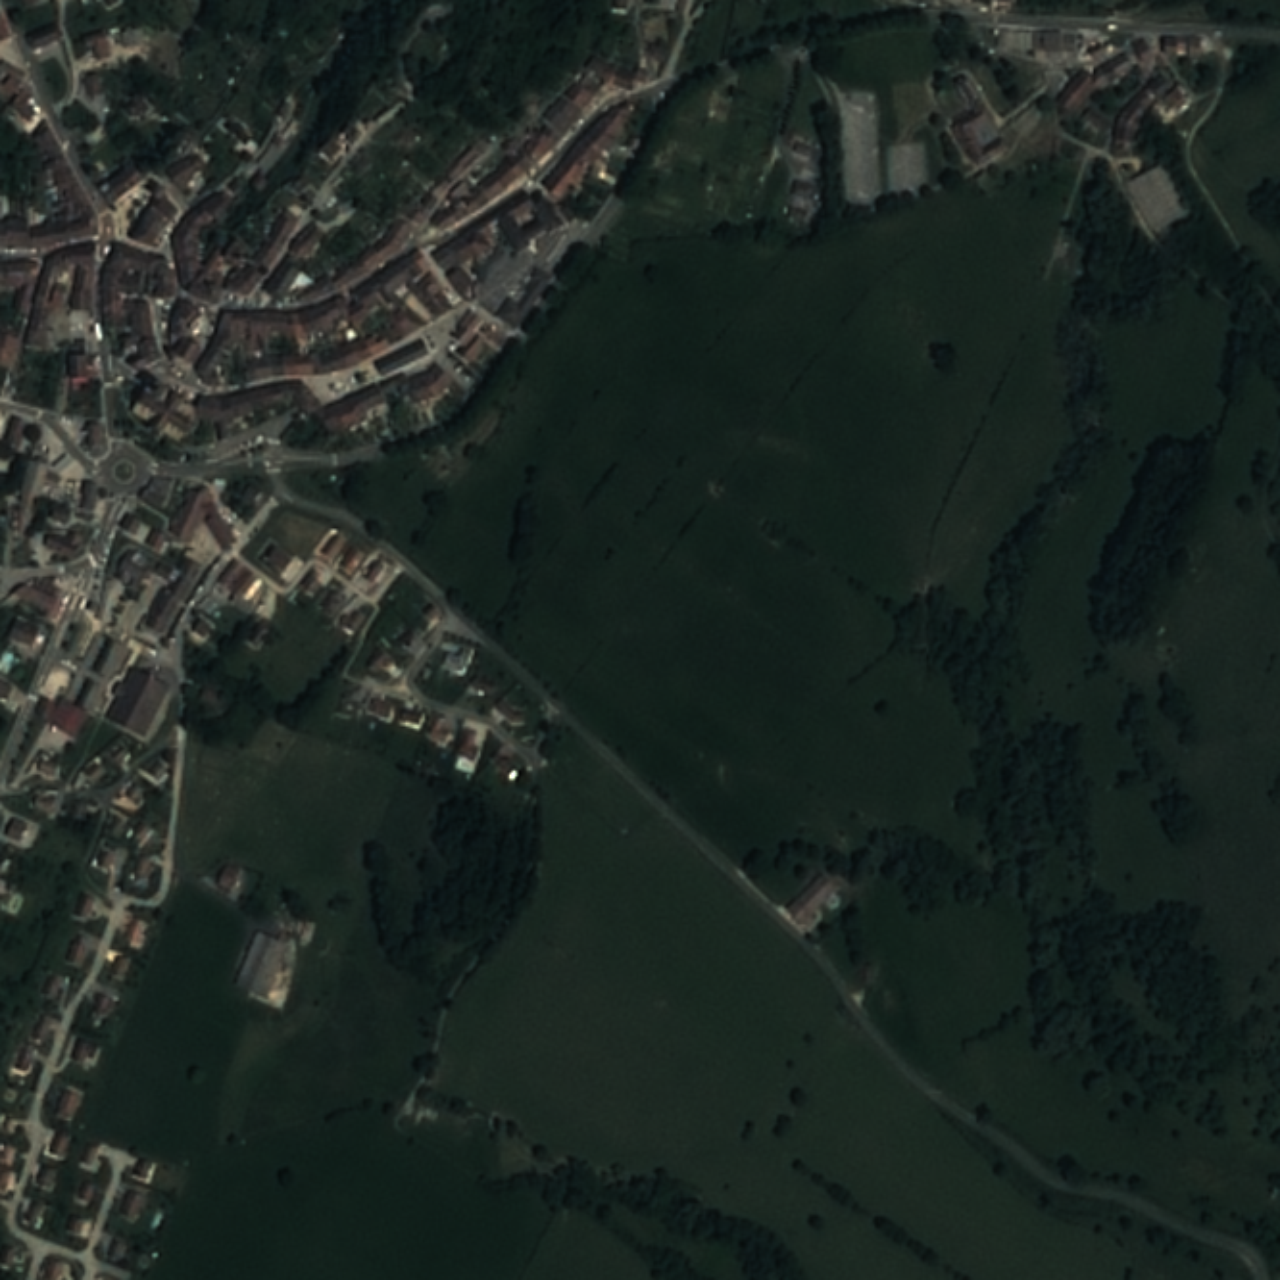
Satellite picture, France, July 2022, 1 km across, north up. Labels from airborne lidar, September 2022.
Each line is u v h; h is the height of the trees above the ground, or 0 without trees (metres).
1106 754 0
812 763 0
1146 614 17
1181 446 22
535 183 0
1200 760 0
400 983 0
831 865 9
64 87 0
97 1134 0
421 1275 0
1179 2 14
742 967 0
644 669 0
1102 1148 0
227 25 9
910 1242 12
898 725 0
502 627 11
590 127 0
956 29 20
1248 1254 0
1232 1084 0
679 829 0
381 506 0
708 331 0
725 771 0
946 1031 0
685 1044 0
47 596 0
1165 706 12
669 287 0
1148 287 12
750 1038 0
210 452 0
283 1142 0
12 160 12
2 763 0
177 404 0
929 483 0
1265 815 0
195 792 0
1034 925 11
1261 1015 12
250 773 0
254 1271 0
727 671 0
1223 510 0
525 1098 0
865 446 0
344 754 0
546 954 0
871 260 0
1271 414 0
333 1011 0
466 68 18
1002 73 14
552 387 0
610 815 0
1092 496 0
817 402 0
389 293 0
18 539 0
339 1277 0
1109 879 0
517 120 16
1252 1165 0
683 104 19
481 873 13
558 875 0
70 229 0
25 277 0
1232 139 0
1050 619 0
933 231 0
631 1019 0
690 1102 0
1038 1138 0
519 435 0
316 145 8
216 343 0
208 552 0
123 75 5
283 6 7
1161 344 0
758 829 0
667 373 0
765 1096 0
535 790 10
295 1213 0
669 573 0
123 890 6
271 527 0
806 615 0
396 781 0
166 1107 0
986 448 0
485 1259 0
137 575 0
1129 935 13
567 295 12
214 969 0
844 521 0
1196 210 6
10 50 0
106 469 0
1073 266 0
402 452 21
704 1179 0
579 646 0
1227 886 0
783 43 18
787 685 0
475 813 14
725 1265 0
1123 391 0
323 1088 0
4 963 0
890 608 14
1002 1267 0
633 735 0
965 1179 0
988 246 0
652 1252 8
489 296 0
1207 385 0
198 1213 0
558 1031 0
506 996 0
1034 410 0
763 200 0
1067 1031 21
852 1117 0
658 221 0
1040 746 17
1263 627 0
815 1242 0
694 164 0
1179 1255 20
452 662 0
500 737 0
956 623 18
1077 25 0
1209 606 0
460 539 0
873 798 0
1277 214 8
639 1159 0
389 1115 10
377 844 9
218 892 0
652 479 0
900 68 0
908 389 0
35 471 0
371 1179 0
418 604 0
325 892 0
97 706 0
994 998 0
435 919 22
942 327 0
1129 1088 0
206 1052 0
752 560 0
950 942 0
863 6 0
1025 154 0
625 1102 0
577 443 0
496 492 0
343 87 16
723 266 0
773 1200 0
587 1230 0
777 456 0
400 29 19
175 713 0
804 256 0
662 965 0
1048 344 0
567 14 20
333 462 0
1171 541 21
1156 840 0
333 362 0
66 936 0
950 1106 0
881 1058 0
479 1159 0
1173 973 16
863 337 0
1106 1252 0
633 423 0
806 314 0
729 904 0
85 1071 0
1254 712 0
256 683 6
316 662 0
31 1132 0
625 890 0
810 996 0
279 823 0
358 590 0
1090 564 0
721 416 0
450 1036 0
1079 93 0
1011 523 0
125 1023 0
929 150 0
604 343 0
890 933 0
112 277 0
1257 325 20
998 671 24
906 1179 0
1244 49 8
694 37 7
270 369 0
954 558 0
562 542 0
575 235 0
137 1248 7
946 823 0
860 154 0
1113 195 19
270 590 0
